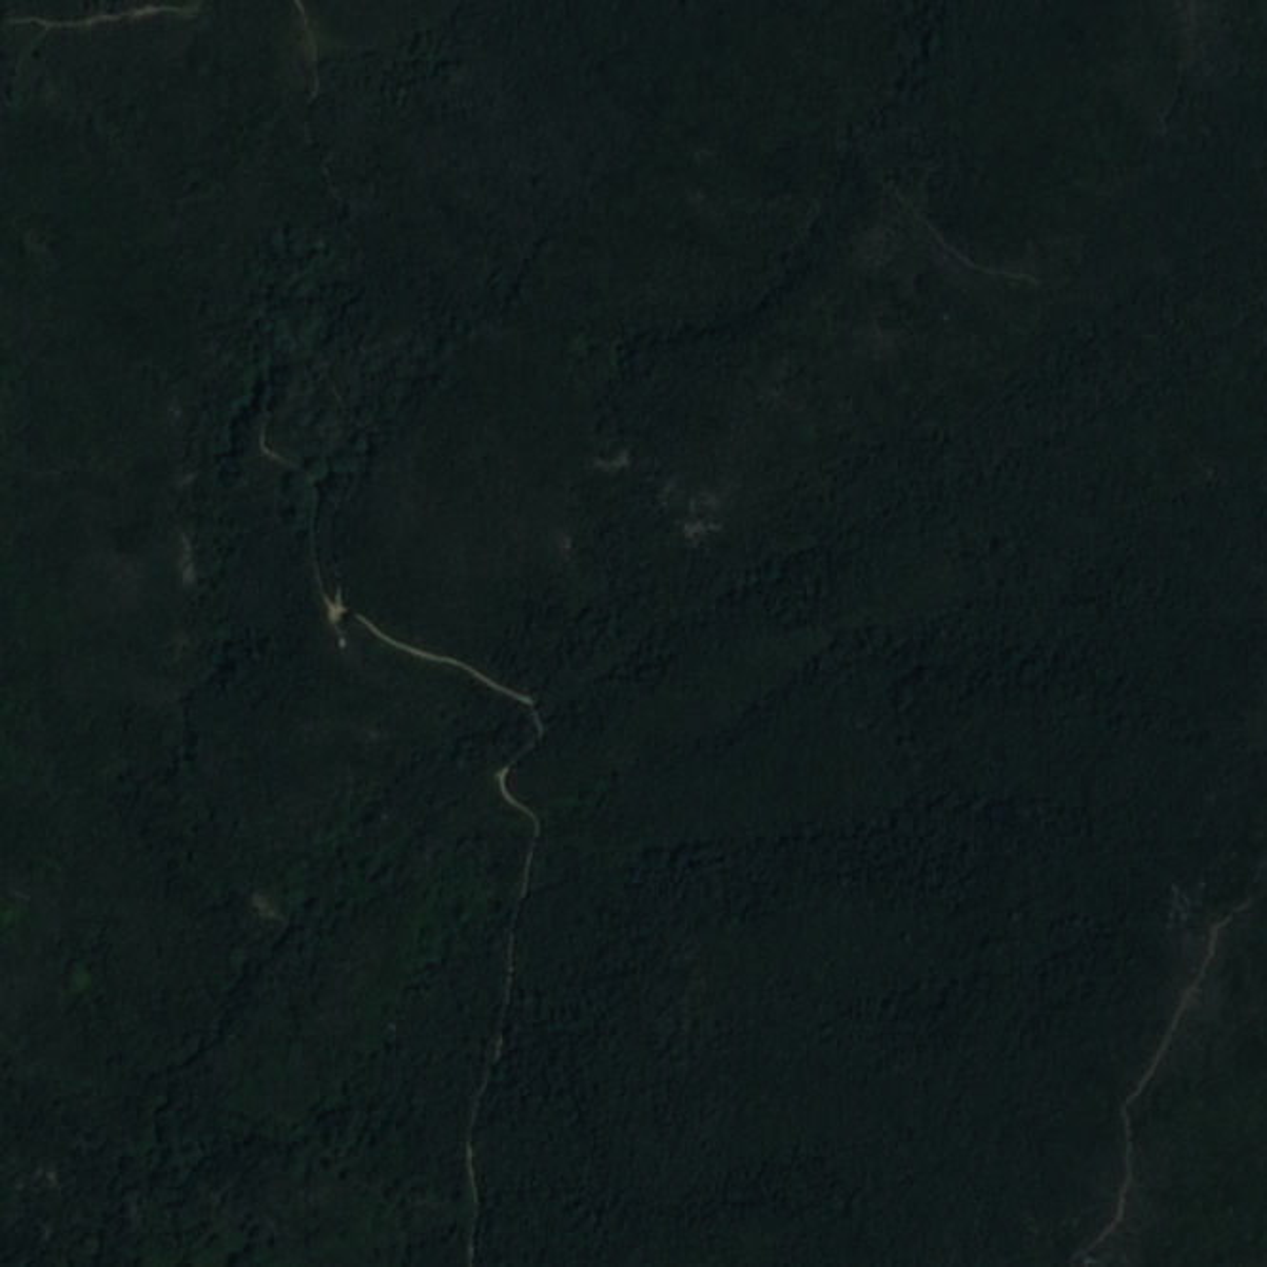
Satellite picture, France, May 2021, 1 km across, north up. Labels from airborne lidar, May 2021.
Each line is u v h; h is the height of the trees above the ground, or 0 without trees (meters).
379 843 13
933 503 7
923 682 21
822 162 11
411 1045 7
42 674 6
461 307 6
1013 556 11
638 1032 10
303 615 5
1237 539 6
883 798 6
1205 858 6
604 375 9
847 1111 6
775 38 6
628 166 6
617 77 7
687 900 10
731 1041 9
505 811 6
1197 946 0
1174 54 7
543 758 9
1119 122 7
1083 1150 6
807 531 7
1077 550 7
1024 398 7
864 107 7
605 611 10
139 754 7
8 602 6
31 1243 12
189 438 8
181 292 7
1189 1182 5
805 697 6
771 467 7
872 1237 7
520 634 6
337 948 6
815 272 11
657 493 9
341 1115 10
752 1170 13
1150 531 9
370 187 9
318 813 9
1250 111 5
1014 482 8
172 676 7
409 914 6
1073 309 6
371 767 6
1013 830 19
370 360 13
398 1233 10
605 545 7
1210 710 9
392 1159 12
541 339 7
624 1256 7
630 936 7
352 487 12
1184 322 7
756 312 8
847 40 6
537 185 13
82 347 6
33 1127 13
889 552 6
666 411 7
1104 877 6
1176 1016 0
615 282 6
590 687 9
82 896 6
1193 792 8
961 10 6
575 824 7
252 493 5
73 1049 5
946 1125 7
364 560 6
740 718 7
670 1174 6
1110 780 6
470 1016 7
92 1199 16
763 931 8
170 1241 9
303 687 7
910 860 10
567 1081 7
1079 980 12
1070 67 5
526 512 6
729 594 7
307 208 8
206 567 6
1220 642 8
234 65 6
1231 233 5
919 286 6
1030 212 7
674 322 10
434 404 8
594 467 8
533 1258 6
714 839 6
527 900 7
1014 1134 7
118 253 6
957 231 7
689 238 7
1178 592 9
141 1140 14
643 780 6
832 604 8
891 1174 6
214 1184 9
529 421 6
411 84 7
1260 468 6
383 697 7
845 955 7
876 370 6
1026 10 6
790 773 6
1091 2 5
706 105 6
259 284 7
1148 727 9
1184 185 6
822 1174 9
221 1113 9
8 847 7
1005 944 10
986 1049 8
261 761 8
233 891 11
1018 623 8
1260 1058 5
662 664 11
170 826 8
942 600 6
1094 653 8
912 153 8
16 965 6
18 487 6
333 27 0
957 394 7
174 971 8
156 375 7
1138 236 6
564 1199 12
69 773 6
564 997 8
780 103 6
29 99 8
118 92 6
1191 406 6
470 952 8
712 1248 6
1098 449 6
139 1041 8
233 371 7
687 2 12
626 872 7
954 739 13
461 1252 6
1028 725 6
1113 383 8
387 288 8
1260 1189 7
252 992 14
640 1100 7
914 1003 13
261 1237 15
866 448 12
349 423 6
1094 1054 6
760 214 7
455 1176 7
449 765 6
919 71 8
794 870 11
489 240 6
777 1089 7
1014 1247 7
